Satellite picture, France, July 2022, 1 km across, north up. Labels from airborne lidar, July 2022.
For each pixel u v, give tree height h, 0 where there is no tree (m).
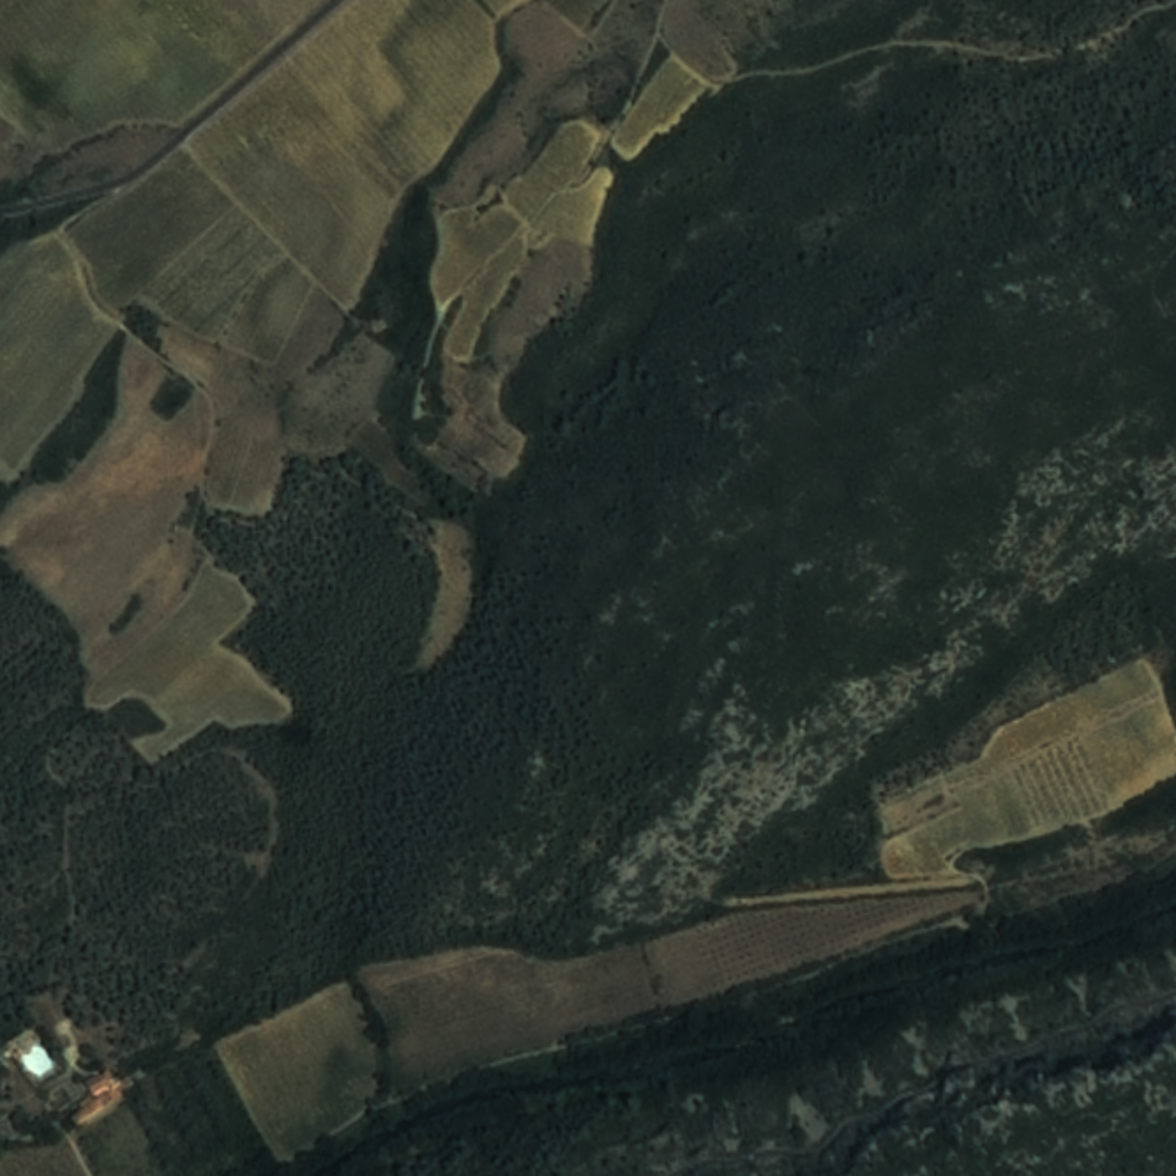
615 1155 0
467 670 9
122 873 7
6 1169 0
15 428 0
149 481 0
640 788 13
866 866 12
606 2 0
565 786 12
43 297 0
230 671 0
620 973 0
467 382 0
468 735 8
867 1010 10
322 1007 0
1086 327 0
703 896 0
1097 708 0
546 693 7
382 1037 16
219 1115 10
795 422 0
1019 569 0
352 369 0
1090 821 0
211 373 0
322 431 0
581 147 0
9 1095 8
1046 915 8
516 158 0
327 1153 18
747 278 6
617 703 0
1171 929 8
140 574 0
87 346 0
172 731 0
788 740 0
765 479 0
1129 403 0
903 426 0
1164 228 6
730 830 0
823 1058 5
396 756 12
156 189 0
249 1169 13
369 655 11
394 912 9
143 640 0
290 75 0
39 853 7
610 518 8
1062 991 6
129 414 0
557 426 7
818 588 0
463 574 0
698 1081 6
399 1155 12
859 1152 8
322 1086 0
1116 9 10
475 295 0
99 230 0
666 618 0
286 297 0
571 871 11
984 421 0
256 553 9
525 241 0
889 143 11
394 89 0
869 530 0
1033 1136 0
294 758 11
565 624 10
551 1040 0
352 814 10
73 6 0
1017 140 8
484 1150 8
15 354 0
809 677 0
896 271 6
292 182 0
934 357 0
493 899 7
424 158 0
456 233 0
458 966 0
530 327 0
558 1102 10
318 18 0
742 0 0
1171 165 0
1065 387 0
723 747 0
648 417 12
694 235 0
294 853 15
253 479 0
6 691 7
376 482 10
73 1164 0
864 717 0
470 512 14
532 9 0
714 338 5
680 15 0
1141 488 10
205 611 0
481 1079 15
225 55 0
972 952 20
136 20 0
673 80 0
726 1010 11
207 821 7
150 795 7
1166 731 0
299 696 8
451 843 6
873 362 0
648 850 0
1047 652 8
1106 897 9
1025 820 0
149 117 0
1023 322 0
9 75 0
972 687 0
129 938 9
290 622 8
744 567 0
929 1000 13
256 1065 0
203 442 0
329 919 25
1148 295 0
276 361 0
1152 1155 0
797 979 7
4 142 0
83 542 0
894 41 0
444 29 0
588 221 0
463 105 0
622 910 0
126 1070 6
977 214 10
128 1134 0
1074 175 9
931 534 0
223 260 0
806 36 0
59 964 8
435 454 0
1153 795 6
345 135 0
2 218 10
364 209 0
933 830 0
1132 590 9
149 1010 10
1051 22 8
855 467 0
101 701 0
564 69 0
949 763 9
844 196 0
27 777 14
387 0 0
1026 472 0
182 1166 6
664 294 9
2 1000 15
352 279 0
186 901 9
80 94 0
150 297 0
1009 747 0
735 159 9
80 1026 11
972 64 8
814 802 0
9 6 0
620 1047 13
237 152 0
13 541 0
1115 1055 7
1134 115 14
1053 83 10
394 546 11
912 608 0
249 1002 10
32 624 9
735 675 0
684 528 0
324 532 9
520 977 0
